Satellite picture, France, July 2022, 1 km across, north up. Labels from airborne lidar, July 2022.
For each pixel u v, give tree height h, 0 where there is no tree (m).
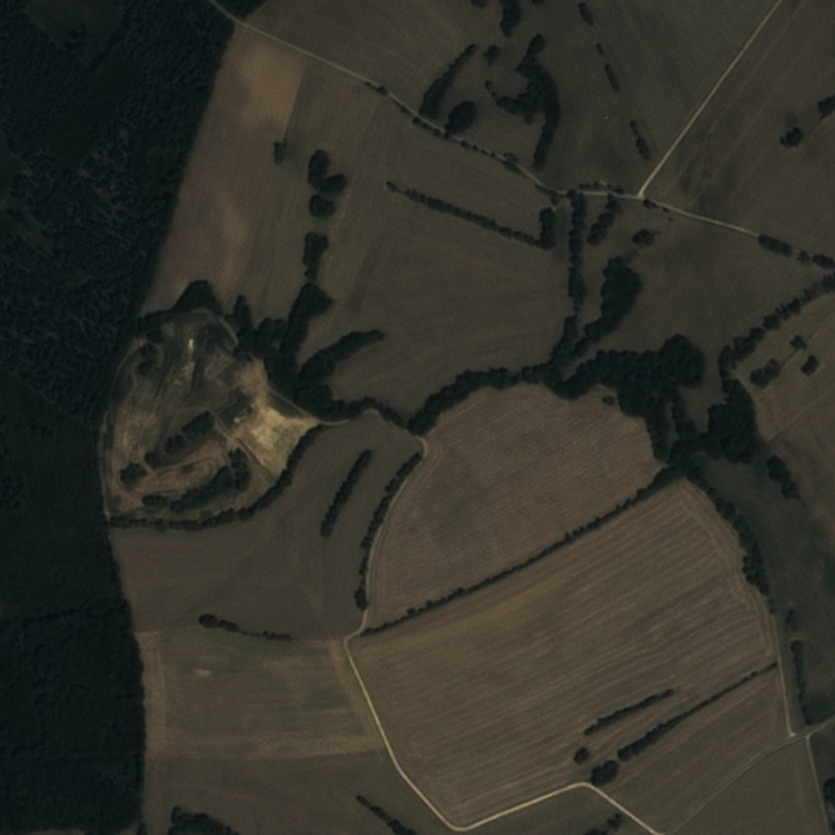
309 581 0
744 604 0
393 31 0
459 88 0
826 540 0
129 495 0
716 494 12
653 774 0
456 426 0
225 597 0
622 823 11
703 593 0
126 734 22
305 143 0
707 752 0
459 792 0
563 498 0
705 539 0
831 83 0
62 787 21
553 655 0
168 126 25
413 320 0
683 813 0
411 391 0
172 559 0
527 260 0
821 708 0
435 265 0
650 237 18
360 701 0
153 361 9
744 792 0
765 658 0
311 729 0
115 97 20
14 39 16
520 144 0
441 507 0
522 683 0
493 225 12
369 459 12
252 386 0
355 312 0
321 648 0
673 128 0
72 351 14
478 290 0
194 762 0
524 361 0
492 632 0
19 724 14
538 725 0
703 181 0
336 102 0
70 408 18
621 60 0
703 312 0
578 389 20
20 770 21
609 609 0
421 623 0
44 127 18
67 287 12
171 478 0
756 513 0
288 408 0
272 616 0
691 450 15
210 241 0
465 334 0
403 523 0
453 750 0
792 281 0
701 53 0
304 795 0
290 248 0
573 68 0
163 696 0
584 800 0
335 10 0
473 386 15
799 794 0
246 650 0
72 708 19
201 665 0
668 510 0
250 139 0
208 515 0
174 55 17
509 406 0
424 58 0
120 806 19
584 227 11
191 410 0
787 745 0
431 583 0
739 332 0
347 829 0
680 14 0
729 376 18
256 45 0
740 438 19
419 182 0
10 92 17
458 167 0
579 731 0
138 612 0
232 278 0
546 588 0
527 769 0
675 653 0
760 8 0
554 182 0
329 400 15
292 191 0
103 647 17
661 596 0
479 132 0
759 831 0
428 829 0
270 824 0
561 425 0
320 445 0
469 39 0
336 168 0
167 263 0
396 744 0
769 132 0
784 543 0
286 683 0
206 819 14
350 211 0
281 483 10
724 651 0
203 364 0
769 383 19
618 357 20
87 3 0
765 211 0
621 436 0
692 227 0
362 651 0
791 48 0
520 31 0
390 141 0
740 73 0
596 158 0
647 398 18
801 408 0
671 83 0
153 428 0
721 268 0
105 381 11
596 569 0
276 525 0
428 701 0
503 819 0
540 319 0
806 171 0
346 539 0
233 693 0
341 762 0
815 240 0
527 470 0
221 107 0
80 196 14
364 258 0
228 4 14
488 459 0
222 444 0
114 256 19
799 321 0
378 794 0
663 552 0
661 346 0
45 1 0
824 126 0
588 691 0
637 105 0
